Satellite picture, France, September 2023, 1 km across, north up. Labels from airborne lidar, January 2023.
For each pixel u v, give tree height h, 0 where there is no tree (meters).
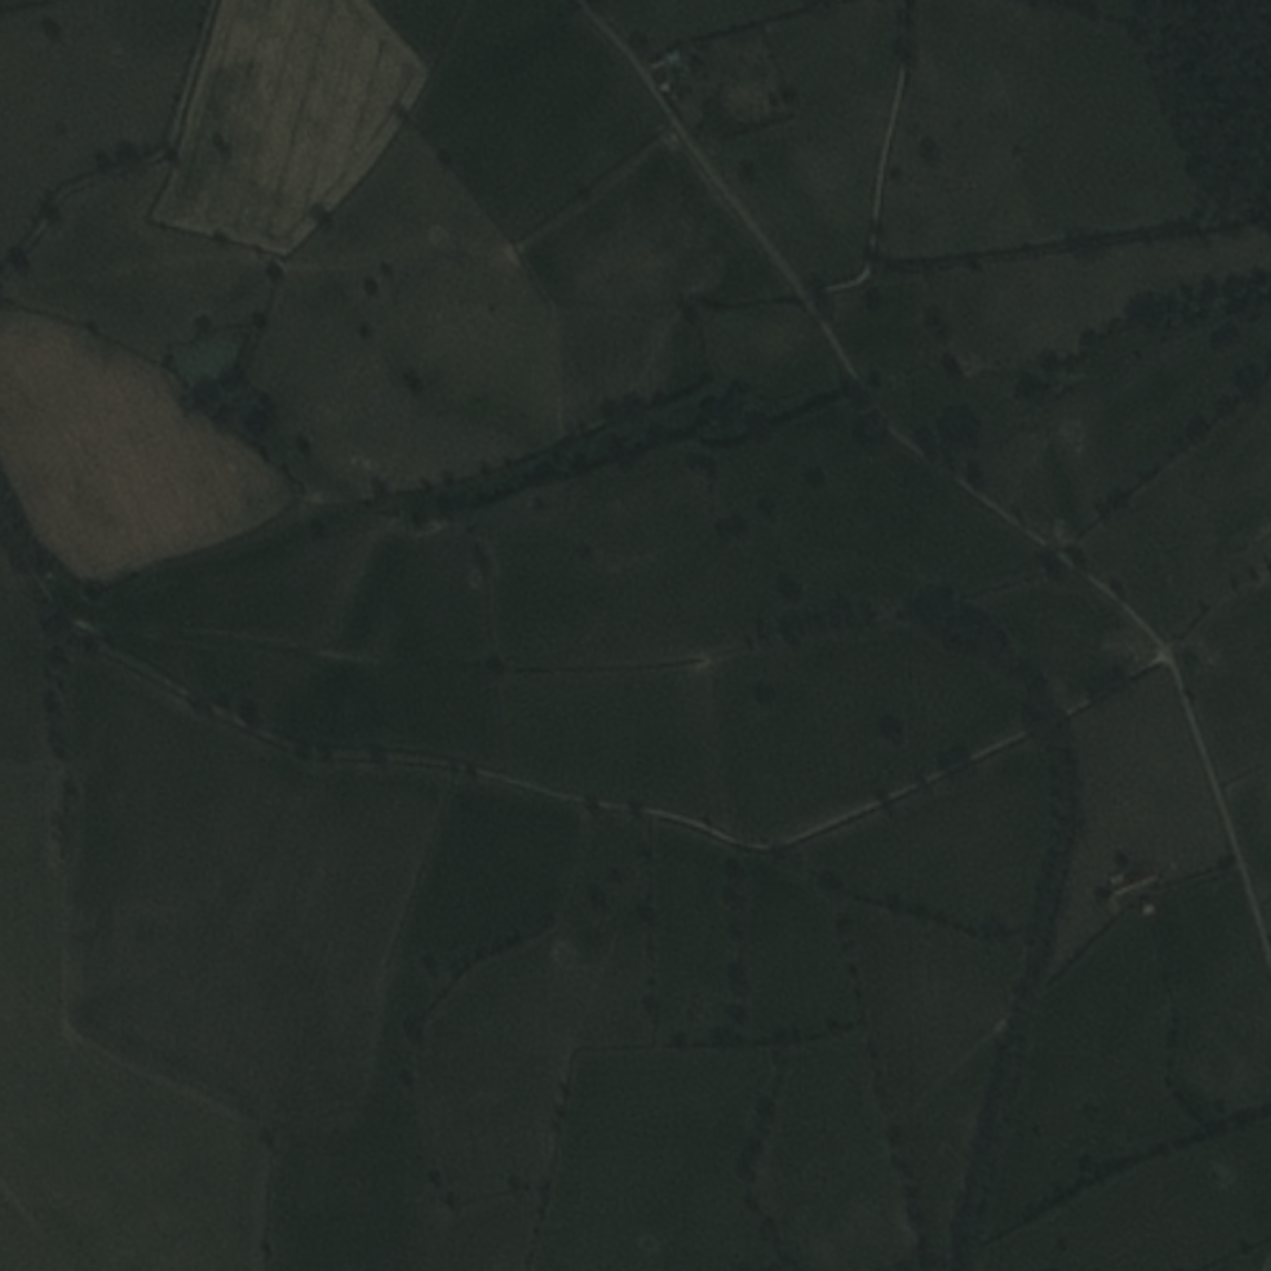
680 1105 0
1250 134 19
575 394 0
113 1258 0
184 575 0
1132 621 0
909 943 0
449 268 0
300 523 0
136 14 0
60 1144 0
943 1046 0
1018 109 0
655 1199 0
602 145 0
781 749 0
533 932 8
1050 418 0
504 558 0
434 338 0
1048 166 0
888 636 0
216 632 0
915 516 0
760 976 0
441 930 0
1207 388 0
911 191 0
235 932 0
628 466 14
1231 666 0
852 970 7
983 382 0
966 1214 19
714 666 0
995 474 0
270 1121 0
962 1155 0
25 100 0
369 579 0
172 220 0
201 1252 0
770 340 0
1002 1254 0
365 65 0
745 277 0
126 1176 0
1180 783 0
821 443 0
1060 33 0
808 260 0
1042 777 0
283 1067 0
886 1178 0
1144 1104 0
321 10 0
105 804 0
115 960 0
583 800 0
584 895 0
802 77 0
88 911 0
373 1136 0
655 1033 0
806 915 0
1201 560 0
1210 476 0
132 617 0
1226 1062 0
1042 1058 0
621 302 0
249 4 0
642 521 0
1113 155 0
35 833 0
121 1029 0
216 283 0
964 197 0
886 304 14
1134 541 0
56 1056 0
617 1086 0
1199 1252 0
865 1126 0
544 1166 0
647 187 0
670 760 0
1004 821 0
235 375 13
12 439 0
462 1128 0
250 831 0
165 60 0
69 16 0
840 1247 0
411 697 0
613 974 0
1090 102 0
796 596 15
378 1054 0
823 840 0
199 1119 0
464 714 0
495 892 0
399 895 0
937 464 17
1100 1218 0
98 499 0
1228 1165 0
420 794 0
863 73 0
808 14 9
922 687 0
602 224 0
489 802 0
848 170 0
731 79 0
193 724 0
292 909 0
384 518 0
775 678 0
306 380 0
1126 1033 0
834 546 0
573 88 0
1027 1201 0
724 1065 0
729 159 0
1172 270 0
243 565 0
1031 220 0
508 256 0
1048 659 0
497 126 0
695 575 0
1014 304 0
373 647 0
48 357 0
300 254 0
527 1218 0
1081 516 0
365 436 0
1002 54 0
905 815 0
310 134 0
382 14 0
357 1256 0
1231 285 9
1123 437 0
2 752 0
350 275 0
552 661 0
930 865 0
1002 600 0
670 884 0
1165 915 0
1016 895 0
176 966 0
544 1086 0
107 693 0
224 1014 0
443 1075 0
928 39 0
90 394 0
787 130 0
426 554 0
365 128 0
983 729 0
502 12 0
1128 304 0
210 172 0
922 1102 0
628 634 0
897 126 0
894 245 0
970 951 0
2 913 0
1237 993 0
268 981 0
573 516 0
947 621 20
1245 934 0
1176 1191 0
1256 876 0
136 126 0
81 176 0
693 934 0
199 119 0
